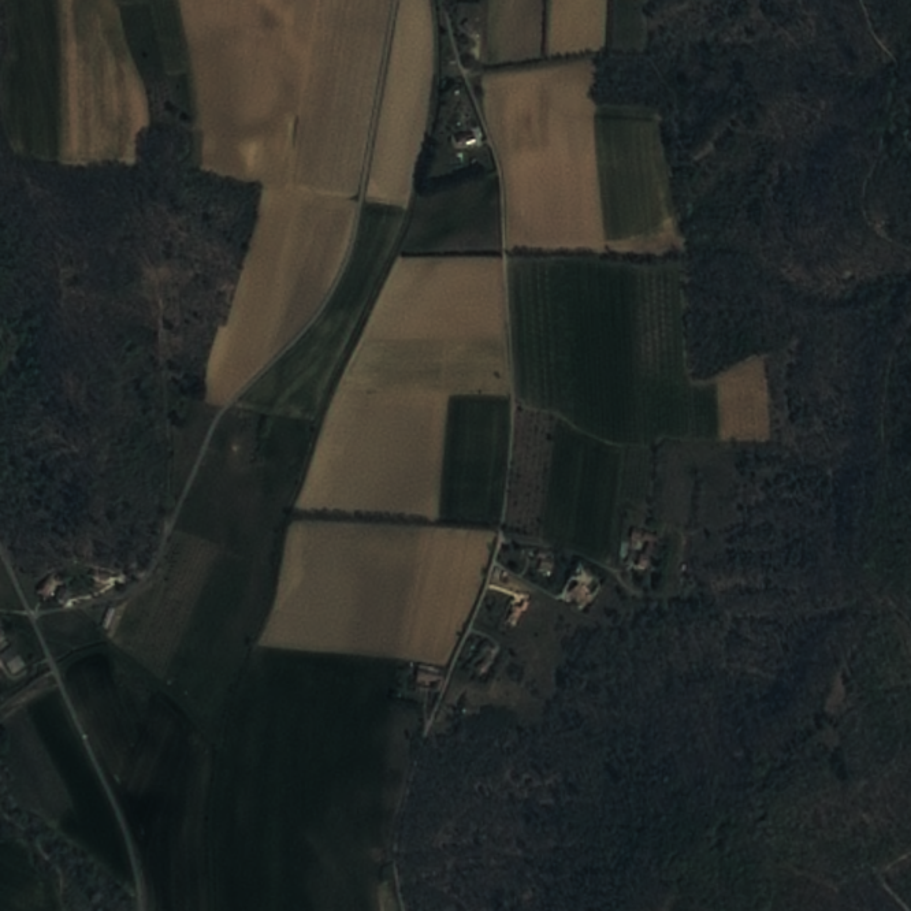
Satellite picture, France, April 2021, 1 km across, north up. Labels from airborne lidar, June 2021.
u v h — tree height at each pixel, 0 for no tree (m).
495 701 0
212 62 0
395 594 0
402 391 0
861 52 15
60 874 11
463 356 0
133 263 16
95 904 12
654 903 15
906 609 15
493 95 0
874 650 12
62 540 19
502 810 11
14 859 0
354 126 0
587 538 0
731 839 14
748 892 13
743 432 0
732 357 9
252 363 0
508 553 11
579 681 6
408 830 8
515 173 0
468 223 0
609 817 8
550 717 9
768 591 7
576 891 14
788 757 17
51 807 0
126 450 11
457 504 0
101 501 10
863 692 9
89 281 22
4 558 0
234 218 6
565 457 0
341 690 0
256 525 0
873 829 17
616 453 0
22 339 18
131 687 0
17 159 7
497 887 10
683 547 0
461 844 6
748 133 6
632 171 0
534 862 7
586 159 0
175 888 0
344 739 0
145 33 0
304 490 0
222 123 0
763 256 7
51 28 0
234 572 0
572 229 0
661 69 14
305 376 0
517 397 0
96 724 0
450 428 0
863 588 14
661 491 0
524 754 7
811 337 10
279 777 0
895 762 15
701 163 6
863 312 13
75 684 0
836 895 11
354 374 0
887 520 13
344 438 0
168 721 0
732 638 9
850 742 8
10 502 13
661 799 15
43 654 0
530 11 0
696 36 8
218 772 0
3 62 8
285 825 0
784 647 8
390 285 0
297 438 0
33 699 0
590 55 9
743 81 13
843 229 15
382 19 0
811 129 10
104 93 0
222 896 0
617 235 0
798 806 10
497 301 0
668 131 12
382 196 0
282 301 0
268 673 0
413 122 0
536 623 0
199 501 0
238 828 0
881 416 16
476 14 0
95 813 0
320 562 0
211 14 0
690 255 16
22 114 0
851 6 13
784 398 8
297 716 0
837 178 12
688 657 13
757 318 11
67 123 0
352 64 0
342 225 0
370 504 0
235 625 0
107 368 19
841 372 9
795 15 8
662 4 11
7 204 14
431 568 0
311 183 0
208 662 0
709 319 12
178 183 14
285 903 0
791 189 12
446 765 6
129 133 0
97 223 19
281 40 0
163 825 0
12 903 0
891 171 16
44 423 15
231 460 0
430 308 0
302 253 0
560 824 9
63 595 0
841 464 10
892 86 9
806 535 9
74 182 19
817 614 11
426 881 8
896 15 6
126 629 0
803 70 9
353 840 0
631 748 13
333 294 0
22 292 20
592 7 0
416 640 0
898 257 11
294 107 0
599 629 10
